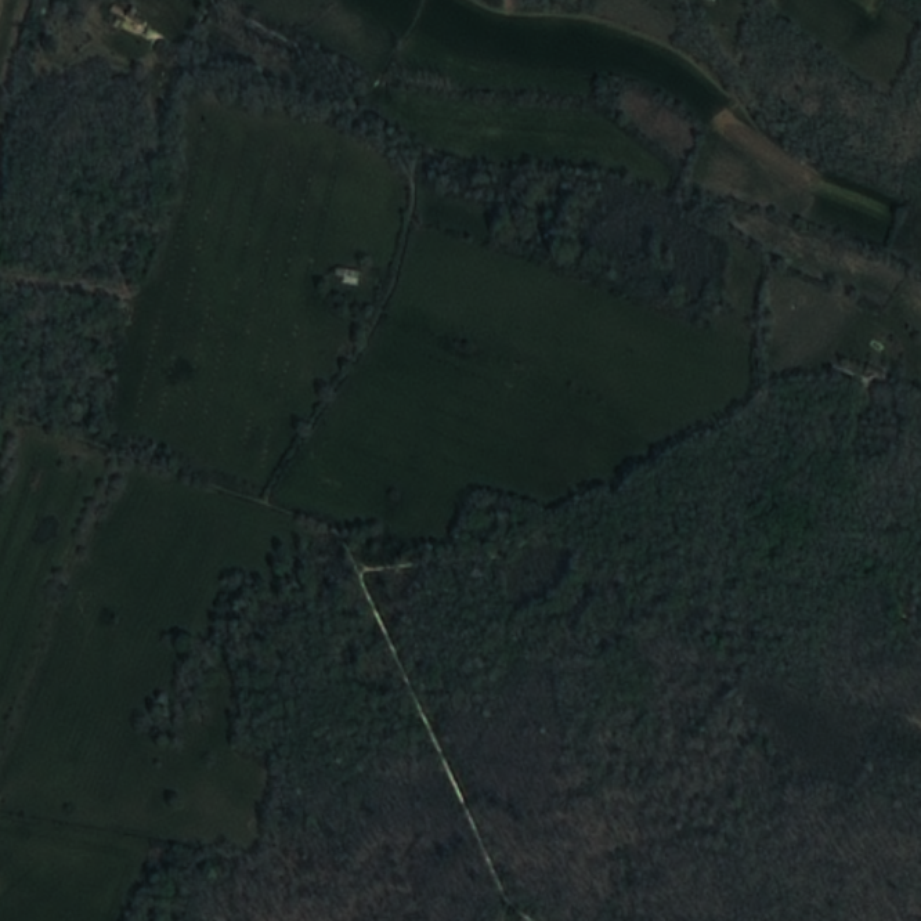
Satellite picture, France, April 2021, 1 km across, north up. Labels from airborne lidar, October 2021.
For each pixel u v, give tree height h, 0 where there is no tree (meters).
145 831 0
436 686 24
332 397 19
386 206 0
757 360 7
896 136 14
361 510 0
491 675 17
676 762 19
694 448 18
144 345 0
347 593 23
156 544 0
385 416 0
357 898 19
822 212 0
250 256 0
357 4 0
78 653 0
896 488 15
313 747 23
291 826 26
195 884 20
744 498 20
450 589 21
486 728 14
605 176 22
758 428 16
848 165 16
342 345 0
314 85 24
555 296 0
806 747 17
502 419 0
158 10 0
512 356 0
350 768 19
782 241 0
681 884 21
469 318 0
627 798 18
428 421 0
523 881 19
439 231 8
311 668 21
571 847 20
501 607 17
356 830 22
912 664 18
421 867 13
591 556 24
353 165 0
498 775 12
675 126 0
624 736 23
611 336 0
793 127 16
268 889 20
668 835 13
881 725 21
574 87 0
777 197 0
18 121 18
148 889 10
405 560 13
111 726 0
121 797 0
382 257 0
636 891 19
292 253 0
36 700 0
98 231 22
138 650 0
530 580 21
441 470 0
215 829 0
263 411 0
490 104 11
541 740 11
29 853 0
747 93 12
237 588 22
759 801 13
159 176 25
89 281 17
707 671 12
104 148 20
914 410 21
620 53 0
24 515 0
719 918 19
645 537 25
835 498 19
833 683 19
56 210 27
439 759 24
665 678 21
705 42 16
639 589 14
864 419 10
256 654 27
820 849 17
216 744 0
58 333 23
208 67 12
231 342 0
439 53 0
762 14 21
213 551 0
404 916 10
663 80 0
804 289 0
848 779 18
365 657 22
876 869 23
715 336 0
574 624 10
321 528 13
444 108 0
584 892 20
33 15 7
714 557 25
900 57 0
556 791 10
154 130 24
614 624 22
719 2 0
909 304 0
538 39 0
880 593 18
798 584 17
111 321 25
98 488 9
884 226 0
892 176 15
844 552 18
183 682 20
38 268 17
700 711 14
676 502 25
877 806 22
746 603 19
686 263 12
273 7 0
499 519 23
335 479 0
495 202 11
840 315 0
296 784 26
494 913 16
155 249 9
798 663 19
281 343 0
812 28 0
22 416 19
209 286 0
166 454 12
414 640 19
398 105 0
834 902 17
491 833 19
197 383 0
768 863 19
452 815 15
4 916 0
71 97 18
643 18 0
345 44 0
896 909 18
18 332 24
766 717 16
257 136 0
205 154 0
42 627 7
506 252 6
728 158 0
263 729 24
